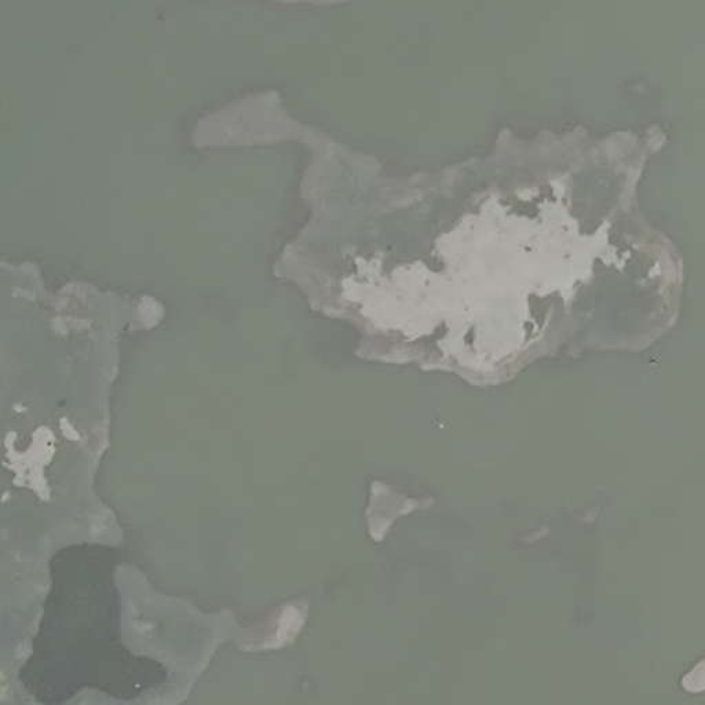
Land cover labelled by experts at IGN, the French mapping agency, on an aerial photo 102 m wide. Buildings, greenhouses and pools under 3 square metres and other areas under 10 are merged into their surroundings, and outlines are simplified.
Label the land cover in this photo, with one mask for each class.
<instances>
[{"label":"water","instance_id":"1","mask_svg":"<svg viewBox=\"0 0 705 705\"><path fill-rule=\"evenodd\" d=\"M278 91L292 118L328 132L336 143L353 151L377 157L388 179H408L413 173L443 171L468 157H485L493 154L501 129H509L520 140H534L543 129L565 135L576 127H584L598 140H606L614 132L639 135L650 127H658L666 140L664 149L647 160L639 176L636 204L642 218L666 237L683 259V281L680 314L675 328L658 336L647 350H592L584 358H559L556 353L529 361L512 380L493 386H471L457 372L358 358L355 353L366 330L358 322L314 311L308 306V295L295 281L273 275V267L281 259L284 248L311 220V207L300 196V182L308 162L300 157V151H295L289 143L212 149L193 146V124L201 116L242 99L245 94ZM0 262L17 264H36L50 292H58L69 281H80L96 286L99 292L132 295L138 300L154 297L162 306V319L154 328L129 333L118 341V377L113 380L110 391L107 449L99 457L94 485L96 498L116 515V523L121 526V543H77L52 551L50 592L44 598V617L33 642V653L19 669V683L44 705H63L83 688L105 691L113 699H135L165 680V666L160 661L135 655L121 642V600L113 584L118 565H135L149 578L154 592L190 600L204 614L229 609L234 611L240 625H253L264 617L281 614L284 606H295L297 600L308 606L306 622L297 631L295 642L278 650L242 653L234 644L223 642L182 705H705V691H686L683 677L699 661H705V0H0ZM375 482L388 485L405 493L408 498L432 496V507L399 518L383 540H375L366 523V507Z\"/></svg>","mask_w":705,"mask_h":705},{"label":"bare soil","instance_id":"2","mask_svg":"<svg viewBox=\"0 0 705 705\"><path fill-rule=\"evenodd\" d=\"M666 140L658 127H650L639 135L614 132L606 140H598L584 127H576L565 135L543 129L534 140H520L509 129H501L493 154L485 157L490 168L507 165L512 160H518L520 165L543 160V165L556 176L551 179L554 201H545L537 218H520L509 215L507 207L498 204V196L490 193L479 215H465L449 234L438 237L435 248L443 259L441 273H432L419 262L402 264L394 273H383L386 251H377L375 259H361V251L355 245H347L341 240V231L350 226L369 231L377 207L388 204L397 196H405L408 190L430 187L443 171L413 173L408 179H388L377 157L353 151L336 143L328 132L292 118L278 91L245 94L242 99L201 116L193 124V146L212 149L289 143L295 151H300V157L308 162L300 182V196L311 207V220L284 248L281 259L273 267V275L295 281L308 295V306L314 311L358 322L366 330L355 353L358 358L457 372L471 386H493L487 377L496 372V364L507 355L523 353L529 295L559 292L565 300H573L576 281L592 278L595 259L622 270L633 253H644L653 262L650 275L658 278V295L669 292L677 281H683V259L666 237L664 242L636 240L625 251H617L609 242L611 223L606 220L598 226L595 234L578 231V220L570 215L573 196L567 185L584 168L609 162L617 173L625 176L622 190L617 196L622 209L628 212L636 204L639 176L647 160L664 149ZM14 273L19 284L36 292L41 311L52 314L55 333H74L94 325L99 339L96 380L110 391L113 380L118 377V341L129 333L154 328L162 319V306L154 297L138 300L132 295L99 292L96 286L80 281H69L58 292H50L36 264H17ZM625 344L622 336H603L600 319L589 317L581 319L576 330L562 333L556 353L559 358H584L592 350H620ZM55 454V438L52 430L39 427L33 432V443L28 452H17V432H6V457L8 468L14 471V482L22 487H33L41 501H47L50 485L44 479V465ZM432 507V496L408 498L405 493L388 485L375 482L366 507V523L375 540H383L399 518ZM58 537L52 543V551L77 543H121V526L116 523V515L96 498L94 485L83 490L80 504L74 509H66L61 518H50L44 523ZM113 584L121 600V642L135 655L160 661L165 666V680L135 699H113L105 691L83 688L63 705H182L223 642L234 644L242 653L278 650L295 642L297 631L306 622L308 606L297 600L295 606H284L281 614L264 617L253 625H240L234 611L229 609L204 614L190 600L154 592L149 578L135 565H118ZM44 617V598H14L8 606L0 609V705H44L19 683V669L33 653V642ZM686 691H705V661H699L683 677Z\"/></svg>","mask_w":705,"mask_h":705},{"label":"herbaceous vegetation","instance_id":"3","mask_svg":"<svg viewBox=\"0 0 705 705\"><path fill-rule=\"evenodd\" d=\"M551 179L556 176L543 165V160L520 165L518 160H512L507 165L490 168L485 157H468L443 171L430 187L408 190L405 196H397L388 204L377 207L369 231L350 226L341 231V240L347 245H355L361 251V259H375L377 251H386L383 273H394L402 264L419 262L432 273H441L443 259L435 248L438 237L449 234L465 215H479L490 193L498 196V204L507 207L509 215L520 218H537L545 201H554ZM625 176L617 173L609 162L584 168L567 185L573 196L570 215L578 220V231L595 234L598 226L606 220L611 223L609 242L617 251H625L636 240L664 242L666 237L642 218L636 204L628 212L622 209L617 196L622 190ZM653 262L644 253H633L622 270L595 259L592 278L576 281L573 300H565L559 292L529 295L523 353L507 355L496 364V372L487 377L493 386L512 380L529 361L556 353L562 333L576 330L581 319L589 317L600 319L603 336H622L625 344L620 350H647L658 336L675 328L680 314L683 281H677L669 292L658 295V278L650 275ZM17 264L0 262V609L8 606L14 598H44L50 592L52 551V543L58 537L44 523L50 518H61L66 509H74L80 504L83 490L94 485L99 457L107 449L110 391L96 380L99 339L94 325L74 333H55L52 314L41 311L36 292L19 284L14 273ZM39 427L52 430L55 438V454L44 465V479L50 485L47 501H41L33 487H22L14 482V471L8 468L6 457V432H17V452H28L33 443V432Z\"/></svg>","mask_w":705,"mask_h":705}]
</instances>
